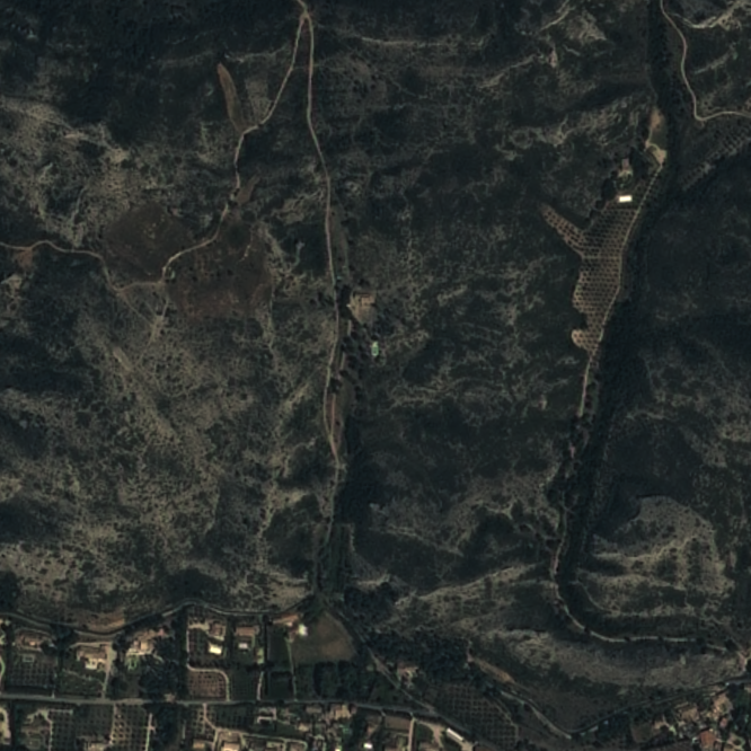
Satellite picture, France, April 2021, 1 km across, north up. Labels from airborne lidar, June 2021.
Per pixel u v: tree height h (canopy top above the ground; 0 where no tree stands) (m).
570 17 0
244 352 0
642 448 0
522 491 0
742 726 9
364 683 10
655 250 0
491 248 0
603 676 0
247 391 0
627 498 0
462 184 0
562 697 0
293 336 0
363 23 0
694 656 0
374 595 10
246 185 0
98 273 0
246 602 0
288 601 0
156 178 0
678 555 0
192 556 0
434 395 0
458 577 0
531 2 0
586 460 9
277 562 0
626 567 0
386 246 0
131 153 0
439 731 0
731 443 0
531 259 0
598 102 0
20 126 0
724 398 0
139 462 0
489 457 0
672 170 7
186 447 0
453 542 0
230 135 0
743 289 0
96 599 0
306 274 0
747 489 0
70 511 0
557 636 0
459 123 0
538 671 0
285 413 0
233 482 0
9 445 0
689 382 0
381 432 0
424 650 11
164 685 17
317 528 0
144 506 0
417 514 0
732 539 0
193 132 0
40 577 0
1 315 0
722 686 8
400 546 0
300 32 0
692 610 0
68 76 0
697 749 11
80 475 0
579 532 6
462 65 0
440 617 0
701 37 0
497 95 0
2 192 0
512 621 0
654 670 0
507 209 0
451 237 0
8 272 0
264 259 0
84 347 0
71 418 0
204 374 0
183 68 0
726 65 0
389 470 0
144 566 0
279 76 0
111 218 0
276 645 0
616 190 13
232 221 0
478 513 0
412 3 0
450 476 0
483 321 0
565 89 0
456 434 0
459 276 0
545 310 0
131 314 0
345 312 9
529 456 0
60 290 0
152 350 0
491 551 0
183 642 13
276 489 0
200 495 0
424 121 0
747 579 0
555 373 0
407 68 0
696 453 0
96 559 0
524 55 0
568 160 0
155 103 0
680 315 0
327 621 0
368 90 7
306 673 15
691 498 0
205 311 0
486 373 0
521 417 0
